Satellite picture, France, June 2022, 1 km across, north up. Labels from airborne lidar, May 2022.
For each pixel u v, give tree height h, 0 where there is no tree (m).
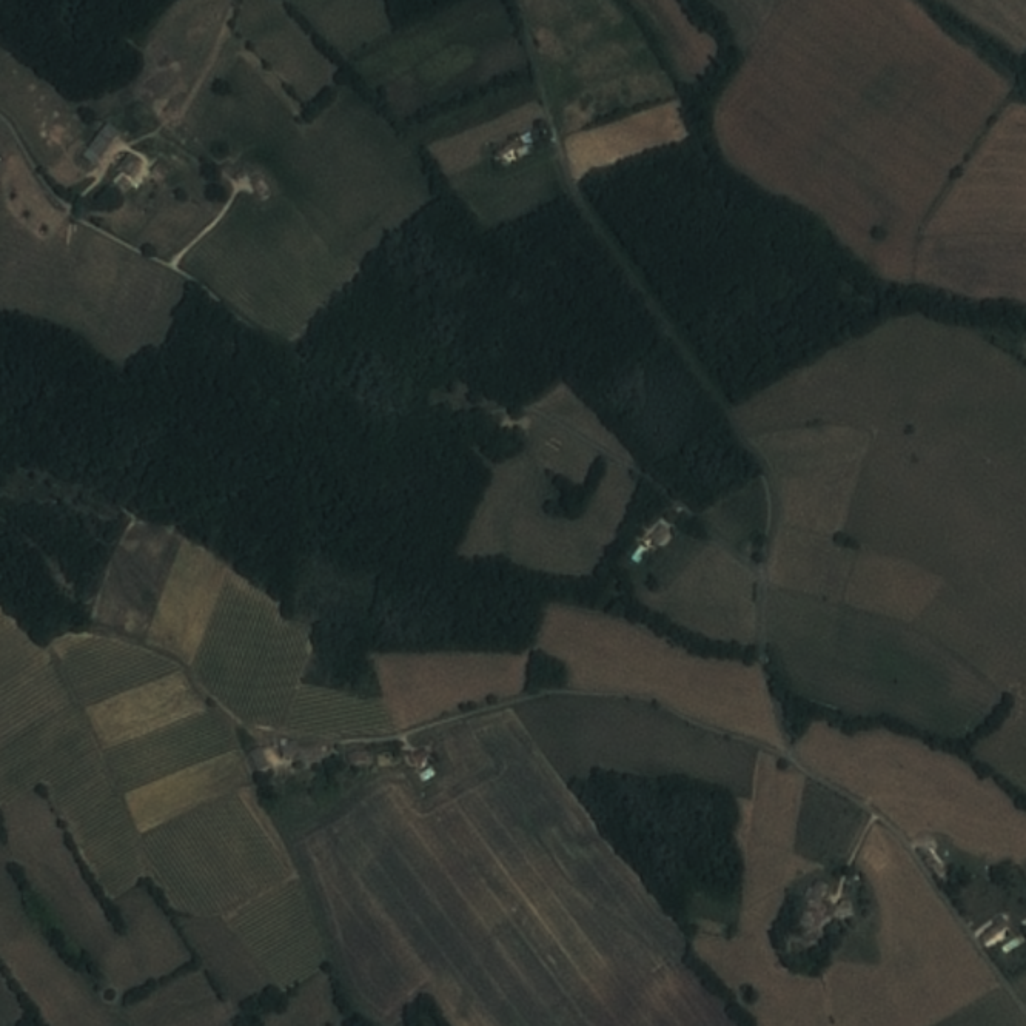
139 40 0
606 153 0
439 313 10
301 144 0
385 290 14
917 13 0
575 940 0
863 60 0
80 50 17
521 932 0
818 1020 0
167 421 19
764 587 0
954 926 0
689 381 15
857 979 0
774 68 0
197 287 15
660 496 13
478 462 15
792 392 0
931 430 0
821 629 0
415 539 19
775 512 0
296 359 18
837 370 0
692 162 15
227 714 0
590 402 13
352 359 12
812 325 17
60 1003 0
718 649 18
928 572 0
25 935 0
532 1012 0
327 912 0
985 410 0
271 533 14
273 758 0
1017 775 0
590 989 0
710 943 0
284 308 0
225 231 0
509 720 0
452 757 0
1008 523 0
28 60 16
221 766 0
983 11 0
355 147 0
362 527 17
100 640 0
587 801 14
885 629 0
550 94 0
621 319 12
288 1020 0
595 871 0
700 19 21
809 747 0
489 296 14
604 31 0
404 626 8
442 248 19
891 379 0
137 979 0
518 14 14
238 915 0
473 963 0
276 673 0
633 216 18
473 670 0
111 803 0
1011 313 15
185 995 0
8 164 0
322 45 14
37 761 0
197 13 0
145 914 0
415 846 0
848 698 0
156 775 0
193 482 19
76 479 14
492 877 0
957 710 0
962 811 0
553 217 19
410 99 0
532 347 18
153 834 0
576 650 0
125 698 0
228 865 0
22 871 13
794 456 0
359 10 0
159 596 0
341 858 0
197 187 0
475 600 20
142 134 0
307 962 0
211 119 0
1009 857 0
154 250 12
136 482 10
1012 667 0
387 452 14
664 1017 0
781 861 0
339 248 0
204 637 0
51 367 24
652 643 0
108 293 0
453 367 16
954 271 0
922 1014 0
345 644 14
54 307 0
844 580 0
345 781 0
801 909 19
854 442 0
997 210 0
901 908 0
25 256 0
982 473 0
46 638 19
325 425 13
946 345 0
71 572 14
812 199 0
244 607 0
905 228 0
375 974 0
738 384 14
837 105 0
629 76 0
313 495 20
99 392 24
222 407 17
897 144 0
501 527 0
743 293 17
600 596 19
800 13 0
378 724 0
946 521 0
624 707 0
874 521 0
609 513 0
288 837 0
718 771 0
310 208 0
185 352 19
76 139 0
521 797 0
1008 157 0
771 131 0
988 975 0
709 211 12
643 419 9
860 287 21
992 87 0
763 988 0
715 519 0
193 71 0
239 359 19
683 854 13
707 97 10
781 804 0
